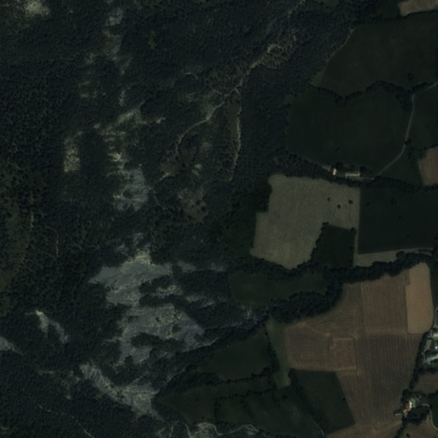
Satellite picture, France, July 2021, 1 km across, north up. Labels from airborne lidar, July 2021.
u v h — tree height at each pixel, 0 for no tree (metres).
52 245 7
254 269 15
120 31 9
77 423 9
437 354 0
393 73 0
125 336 0
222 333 13
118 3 8
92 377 0
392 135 0
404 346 0
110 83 12
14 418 15
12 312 9
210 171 9
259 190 9
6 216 12
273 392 12
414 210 0
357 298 0
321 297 14
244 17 14
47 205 9
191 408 0
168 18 11
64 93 9
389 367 0
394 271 23
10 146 12
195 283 11
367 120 0
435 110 0
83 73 9
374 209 0
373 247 0
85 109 8
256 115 17
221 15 12
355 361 0
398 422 0
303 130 0
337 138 0
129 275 0
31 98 10
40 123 13
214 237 10
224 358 0
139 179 0
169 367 9
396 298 0
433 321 0
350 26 7
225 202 9
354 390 0
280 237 0
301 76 11
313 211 0
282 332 0
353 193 0
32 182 0
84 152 7
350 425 0
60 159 7
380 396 0
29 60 7
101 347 6
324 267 7
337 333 0
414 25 0
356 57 0
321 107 0
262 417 0
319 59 9
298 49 10
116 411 14
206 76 11
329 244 0
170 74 14
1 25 10
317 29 8
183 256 7
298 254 0
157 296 6
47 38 12
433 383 0
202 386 7
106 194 6
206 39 13
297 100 0
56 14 7
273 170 13
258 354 0
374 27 0
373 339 0
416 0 0
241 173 14
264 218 0
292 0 8
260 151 16
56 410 12
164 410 10
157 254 10
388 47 0
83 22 13
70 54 7
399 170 0
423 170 0
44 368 10
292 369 6
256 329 14
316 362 0
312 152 0
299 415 0
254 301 0
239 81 7
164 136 8
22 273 11
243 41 15
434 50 0
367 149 0
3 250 13
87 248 11
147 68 11
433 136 0
